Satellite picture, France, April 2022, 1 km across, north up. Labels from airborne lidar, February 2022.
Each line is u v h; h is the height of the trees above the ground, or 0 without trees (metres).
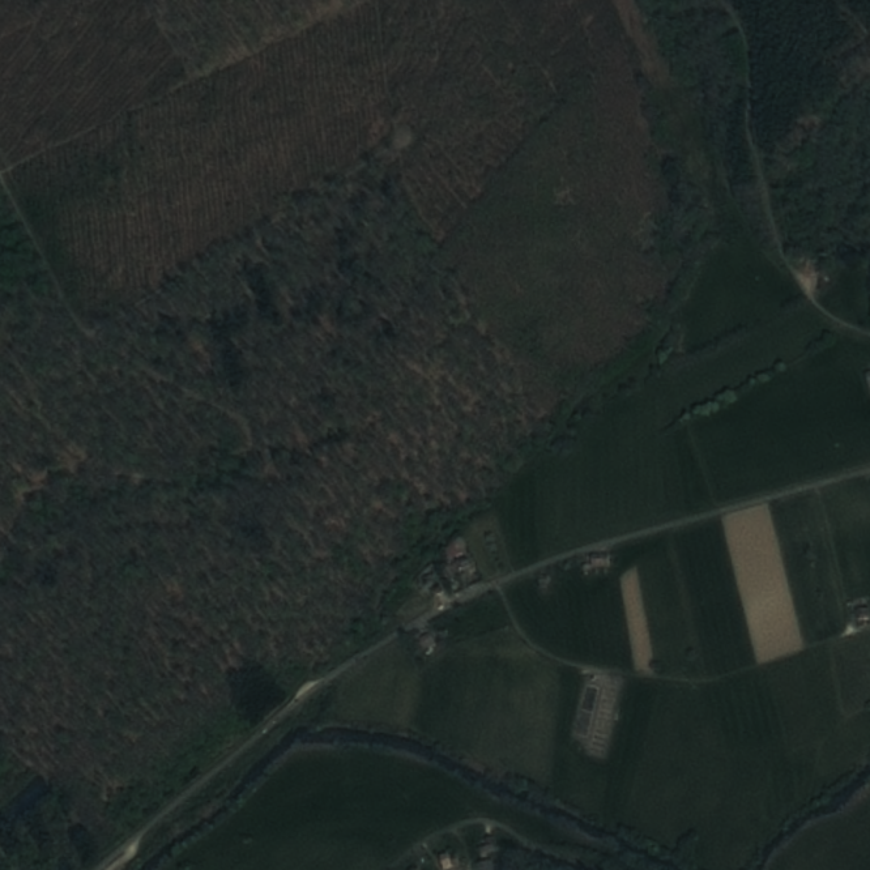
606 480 0
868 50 12
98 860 24
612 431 0
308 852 0
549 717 0
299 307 30
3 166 0
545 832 0
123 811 20
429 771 0
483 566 0
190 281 29
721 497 0
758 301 0
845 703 0
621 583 0
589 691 0
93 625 24
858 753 0
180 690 27
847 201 22
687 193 19
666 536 0
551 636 0
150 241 6
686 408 0
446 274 27
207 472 23
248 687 29
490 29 6
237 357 28
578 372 13
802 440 0
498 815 0
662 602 0
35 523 23
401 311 29
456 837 0
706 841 0
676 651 0
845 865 0
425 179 8
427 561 21
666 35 18
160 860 6
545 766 0
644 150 17
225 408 25
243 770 8
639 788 0
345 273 18
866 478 0
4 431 0
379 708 0
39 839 33
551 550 0
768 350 0
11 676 24
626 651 0
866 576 0
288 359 27
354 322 21
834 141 23
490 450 31
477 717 0
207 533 26
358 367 29
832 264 16
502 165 8
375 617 24
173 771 25
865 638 0
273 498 30
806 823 0
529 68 7
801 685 0
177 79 7
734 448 0
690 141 0
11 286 26
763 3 14
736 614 0
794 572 0
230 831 0
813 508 0
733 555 0
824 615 0
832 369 0
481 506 21
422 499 32
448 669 0
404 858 0
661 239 20
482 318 26
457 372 31
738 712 0
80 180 9
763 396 0
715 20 25
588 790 0
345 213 30
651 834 0
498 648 0
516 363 15
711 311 0
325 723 14
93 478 27
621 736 0
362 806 0
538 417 30
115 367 28
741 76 23
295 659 27
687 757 0
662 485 0
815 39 13
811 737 0
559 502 0
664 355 11
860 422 0
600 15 7
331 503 28
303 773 0
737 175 14
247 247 25
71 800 21
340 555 22
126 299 0
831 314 0
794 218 13
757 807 0
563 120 17
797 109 20
